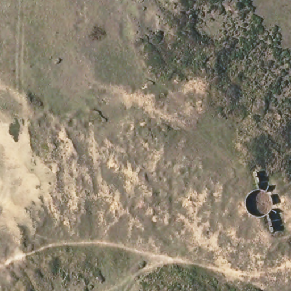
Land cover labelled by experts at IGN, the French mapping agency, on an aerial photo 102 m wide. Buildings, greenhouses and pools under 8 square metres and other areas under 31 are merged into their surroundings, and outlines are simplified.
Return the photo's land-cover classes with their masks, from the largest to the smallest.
<instances>
[{"label":"herbaceous vegetation","instance_id":"1","mask_svg":"<svg viewBox=\"0 0 291 291\"><path fill-rule=\"evenodd\" d=\"M142 0H0V82L13 86L20 94L32 92L43 100V108H32L33 117L28 126V135L32 151L41 158L43 164L49 169H52V164L58 165L57 191L61 194V200L53 196L51 191L49 193L53 205L59 210V221L64 222L65 218L68 219L69 225L66 228L70 235L66 241L102 240L122 242L134 247L136 240L141 236L143 243H148L149 238L155 240L161 255L172 258L184 257L189 251L188 244L178 241L175 232L183 230L184 222L176 221V217L188 214L183 201L189 189L201 193L207 189L208 196L197 214L201 217L198 226L209 223L207 230L202 231L206 238L215 233L219 223H222L225 230L234 228L236 236L244 239H253L258 232L265 230L260 218L252 215L247 209L246 201L242 198V190L246 186L244 172L248 168L247 149L242 144L261 135L255 120L248 115L243 124L231 125L230 120L224 119L221 114L215 117V110L207 106L196 124L190 125V131L181 127L180 130L172 128L171 131H167L168 120L164 119L158 124L138 103H133L131 107H126L123 102L116 106L108 105L102 97L110 90L111 85H122L124 88L128 86L134 93L143 84L148 83V88L143 94H153L157 100H164L169 91H177L173 80L166 81L163 76L151 73V66L145 64L148 61V50L144 49L143 44L141 47L134 45L135 41L141 38L138 28V7ZM61 125L66 126L67 138L72 141L77 152V164L88 167L91 177V182H86L83 175L76 178L75 192L78 203L75 210L68 207L70 196L64 189L63 157L59 155V145L64 141L58 139ZM90 132H94L95 141L100 147H103L105 140L108 139L125 149V152L120 153L118 163L124 164L126 168L130 163L133 172L136 167H140L139 181L135 184L133 193H127L125 190L124 173H114V168L103 163V159H98L100 165H93V159L89 155ZM100 175L102 180L107 182L110 194L119 192V200L124 208L123 216H120L117 210L110 213L109 203L98 193L97 177ZM238 0H224L225 15L217 10L210 14L209 6H203V22L207 23L203 26V31L214 40L219 41L231 35L238 39L236 45L242 49L241 38L250 39V35H244L242 31L250 30L251 25L258 27L252 19L256 14V10L241 20L236 8ZM269 191L278 190V193L272 196L273 203H278L283 196L291 199V181L281 175L277 180L272 178L269 181ZM269 216L273 230L283 231L284 235L278 238L271 236V248L267 251L266 257L261 258L264 261L263 266L274 267V260L280 253L291 259V232L284 227L280 215L272 210ZM131 252L97 244L58 246L36 252L22 260L19 263V271L11 272L10 276L11 283L16 285L18 281L22 282L26 291H53L55 286L57 289H68L69 285L77 286L86 277L91 281L94 277H99L106 285H114L120 278L128 275ZM149 281L142 282L139 291H263L240 280L227 282L224 273L210 271L207 268L185 265L166 264L149 273Z\"/></svg>","mask_w":291,"mask_h":291},{"label":"bare soil","instance_id":"2","mask_svg":"<svg viewBox=\"0 0 291 291\"><path fill-rule=\"evenodd\" d=\"M183 6L180 0H142L138 7V28L141 38L149 36L152 43L158 31L174 36L176 32L169 27L164 17L167 10L175 14L181 13ZM256 10V14L263 17L266 30L269 27L280 26L282 49L291 50V0H252ZM177 91H169L164 100H157L153 94H143L148 88V83L143 84L134 93L128 86L124 88L122 85H111L110 90L102 97L108 105L116 106L123 102L126 107H131L133 103H138L158 124L164 119L168 120L167 131H171L172 128L180 130L181 127L190 131V125L196 124L207 106V85L201 78H194L188 83L181 81L177 76L173 80ZM43 108V100L32 92L20 94L13 86L0 82V261L20 251L25 253L40 248L43 244L66 241L70 235L66 228L69 225L68 219L65 218L64 222L59 221V210L53 205L49 193L51 191L53 196L61 200V194L57 191L58 165L52 164V169H49L43 164L41 158L32 151L28 135V126L33 117L32 108ZM66 126L61 125L58 139L64 141L59 145V155L63 157L64 189L70 196L68 207L75 210L78 203L75 192L76 178L83 175L86 182H91V177L88 167L77 164V152L72 141L67 138ZM89 155L93 159V165H100L98 159H103V163L114 168V173H124L125 190L127 193H133L135 184L139 181L140 167H136L133 172L130 163L126 168L124 164L118 163L120 153L125 152V149L108 139L105 140L103 147H100L95 141L94 132H90ZM261 171L260 166L253 172L248 168L244 172L246 186L242 190V198L246 201L249 194L256 191L259 186L258 173ZM98 193L109 203L110 213L117 210L120 216H123L124 208L119 200V192L110 194L107 182L102 180L100 175L97 177ZM208 196L207 189L201 193L189 189L183 201L188 214L176 217V221L184 222L183 230L175 232L178 241L188 244L189 251L184 257L188 259L185 265L207 268L209 264H216L213 250L218 246V235L215 233L206 238L202 231L207 230L209 223L198 226L201 217L197 214ZM147 258L131 252L128 275L120 278L114 285H106L99 277H94L91 281L86 277L77 286L69 285L68 289H57L55 286L53 291H139L142 282L149 281V273L144 268L147 266ZM22 260H16L7 267L0 268V291H26L22 282L18 281L16 285L11 283L10 276L11 272L19 271V263ZM275 291H291V275L282 278V272H277L273 285Z\"/></svg>","mask_w":291,"mask_h":291},{"label":"brushwood","instance_id":"3","mask_svg":"<svg viewBox=\"0 0 291 291\"><path fill-rule=\"evenodd\" d=\"M183 6L181 13L175 14L167 10L164 17L169 27L176 32L174 36L158 31L152 43L149 36L141 38L135 41L134 45L141 47L143 44L144 49L148 50V61L145 64L151 66V73L163 76L166 81L173 80L177 76L181 81L188 83L194 78H201L207 85V106L215 110V117L221 114L224 119L230 120L231 125L243 124L248 115L255 120L261 135L242 144L247 149L248 168L253 172L260 166L261 171L266 173L269 181L272 178L277 180L281 175L291 181V50L282 49L280 26L269 27L266 30L263 17L256 14L252 19L258 27L251 25L250 30L242 31L244 35H250V39L241 38L242 49L236 45L238 39L231 35L219 41L214 40L203 31V26L207 23L203 22V6H209L210 14L217 10L225 15L224 0H180ZM236 8L241 20L256 10L252 0H238Z\"/></svg>","mask_w":291,"mask_h":291},{"label":"pervious surface","instance_id":"4","mask_svg":"<svg viewBox=\"0 0 291 291\"><path fill-rule=\"evenodd\" d=\"M280 215L284 227L291 232V199L283 196L278 203ZM218 235V246L213 250L216 264H209L207 268L210 271L224 273L227 282L240 280L263 291H275L273 285L277 272H282V278L291 275V259L280 253L274 260V267L263 266L264 261L261 258L266 257L267 251L271 248V236L265 230L258 232L253 239H244L236 236L234 228L225 230L222 223H219L215 233ZM97 244L131 252L147 258V266L144 268L149 273L166 264L185 265L188 259L184 257L172 258L161 255L155 240L149 238L148 243H143L141 236L136 240L134 247L122 242L102 240L66 241L43 244L40 248L25 253L20 251L0 261V268L7 267L16 260H22L36 252L58 246Z\"/></svg>","mask_w":291,"mask_h":291},{"label":"building","instance_id":"5","mask_svg":"<svg viewBox=\"0 0 291 291\"><path fill-rule=\"evenodd\" d=\"M259 186L256 191L249 194L246 201L247 209L252 215L260 218L265 230L271 236L278 238L284 235L283 231L273 230L269 216L272 210L280 215L278 203H273L272 196L278 193V190L269 191V181L266 173L261 171L258 173Z\"/></svg>","mask_w":291,"mask_h":291}]
</instances>
